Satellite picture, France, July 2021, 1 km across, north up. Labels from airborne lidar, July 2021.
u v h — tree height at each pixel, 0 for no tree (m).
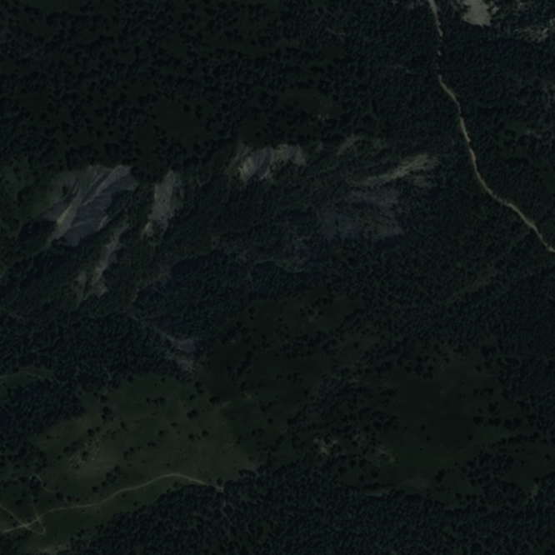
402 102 26
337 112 0
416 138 16
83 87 17
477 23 0
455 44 26
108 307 20
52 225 12
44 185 7
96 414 0
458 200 32
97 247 13
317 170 11
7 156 22
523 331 25
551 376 31
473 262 22
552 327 28
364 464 17
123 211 9
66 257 25
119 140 0
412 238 23
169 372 15
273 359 0
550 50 14
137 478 0
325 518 30
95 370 20
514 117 20
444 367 0
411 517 25
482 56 18
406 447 0
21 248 8
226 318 15
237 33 12
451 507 0
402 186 12
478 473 18
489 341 0
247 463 0
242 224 28
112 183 0
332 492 26
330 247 17
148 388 0
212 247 20
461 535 28
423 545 25
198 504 27
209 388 0
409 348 21
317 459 8
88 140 0
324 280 22
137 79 22
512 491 23
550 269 13
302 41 24
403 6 22
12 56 20
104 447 0
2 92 16
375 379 0
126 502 0
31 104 0
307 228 20
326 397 11
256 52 0
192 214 30
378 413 11
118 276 11
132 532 28
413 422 0
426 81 28
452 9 16
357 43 21
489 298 23
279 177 18
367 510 27
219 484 12
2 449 11
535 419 16
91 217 0
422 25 28
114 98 0
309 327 0
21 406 23
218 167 18
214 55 8
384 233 0
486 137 23
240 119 23
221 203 33
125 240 16
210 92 12
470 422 0
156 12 15
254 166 0
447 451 0
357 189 7
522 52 27
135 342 23
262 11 9
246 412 0
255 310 16
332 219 0
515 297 24
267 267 18
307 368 0
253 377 0
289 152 0
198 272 25
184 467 0
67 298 7
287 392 0
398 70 11
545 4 13
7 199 25
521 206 25
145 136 0
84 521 0
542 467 0
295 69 22
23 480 17
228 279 27
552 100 9
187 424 0
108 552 18
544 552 0
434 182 14
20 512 0
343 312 0
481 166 25
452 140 12
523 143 24
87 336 23
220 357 0
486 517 19
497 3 13
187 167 25
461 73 26
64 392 13
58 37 9
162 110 0
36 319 18
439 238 26
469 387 0
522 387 28
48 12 0
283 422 0
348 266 29
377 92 25
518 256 17
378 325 9
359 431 6
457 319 19
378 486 13
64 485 0
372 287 22
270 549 30
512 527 27
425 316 14
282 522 27
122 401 0
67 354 18
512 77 16
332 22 24
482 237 26
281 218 16
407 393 0
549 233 27
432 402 0
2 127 25
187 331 15
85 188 0
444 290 23
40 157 13
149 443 8
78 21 25
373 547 22
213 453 0
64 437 0
